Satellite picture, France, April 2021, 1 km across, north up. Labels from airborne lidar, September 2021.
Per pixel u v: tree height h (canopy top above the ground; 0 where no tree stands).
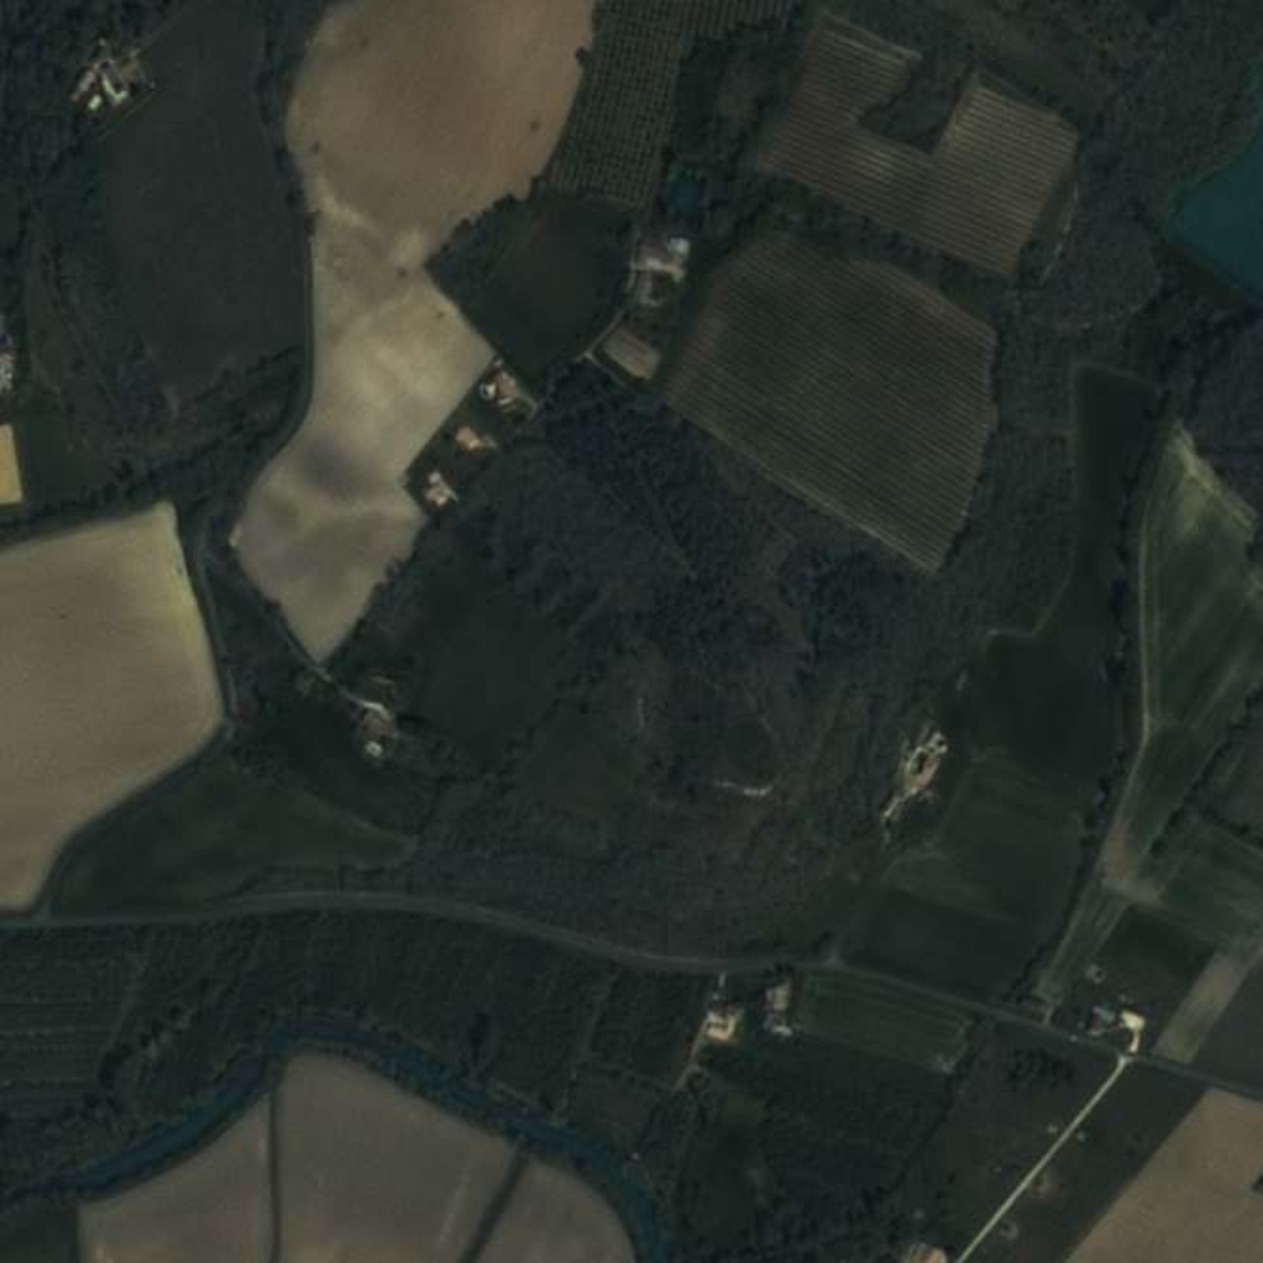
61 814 0
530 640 0
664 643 16
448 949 7
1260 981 0
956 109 9
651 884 19
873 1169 7
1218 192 0
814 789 10
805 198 13
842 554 9
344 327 0
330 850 0
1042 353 18
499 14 0
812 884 17
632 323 12
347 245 0
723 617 18
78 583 0
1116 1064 0
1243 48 19
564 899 22
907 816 0
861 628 21
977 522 13
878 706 15
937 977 0
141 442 7
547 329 0
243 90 0
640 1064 7
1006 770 0
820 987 0
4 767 0
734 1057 6
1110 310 17
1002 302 19
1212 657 0
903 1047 0
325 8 12
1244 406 22
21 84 24
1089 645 0
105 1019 7
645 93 6
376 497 0
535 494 16
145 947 6
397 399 0
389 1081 9
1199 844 0
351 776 0
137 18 14
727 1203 0
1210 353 25
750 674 16
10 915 0
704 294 0
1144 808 0
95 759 0
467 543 0
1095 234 14
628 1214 16
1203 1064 0
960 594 18
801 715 11
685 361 0
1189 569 0
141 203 0
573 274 0
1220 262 0
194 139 0
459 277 18
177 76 0
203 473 18
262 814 0
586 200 14
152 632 0
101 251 7
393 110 0
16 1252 0
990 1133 0
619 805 0
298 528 0
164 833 0
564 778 0
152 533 0
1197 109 14
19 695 0
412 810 0
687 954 17
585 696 9
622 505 12
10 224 0
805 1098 7
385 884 18
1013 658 0
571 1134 7
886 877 0
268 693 6
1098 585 0
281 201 0
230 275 0
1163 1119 0
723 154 14
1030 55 0
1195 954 0
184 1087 6
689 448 13
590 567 16
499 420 0
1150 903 0
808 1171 7
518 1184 0
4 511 0
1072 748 0
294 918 7
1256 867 0
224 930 6
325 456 0
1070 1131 0
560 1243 0
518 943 6
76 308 10
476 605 0
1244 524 0
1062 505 14
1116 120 18
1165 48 12
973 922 0
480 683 0
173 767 0
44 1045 6
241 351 0
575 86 0
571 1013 7
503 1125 15
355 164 0
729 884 19
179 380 0
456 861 18
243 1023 8
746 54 14
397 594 16
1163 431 17
